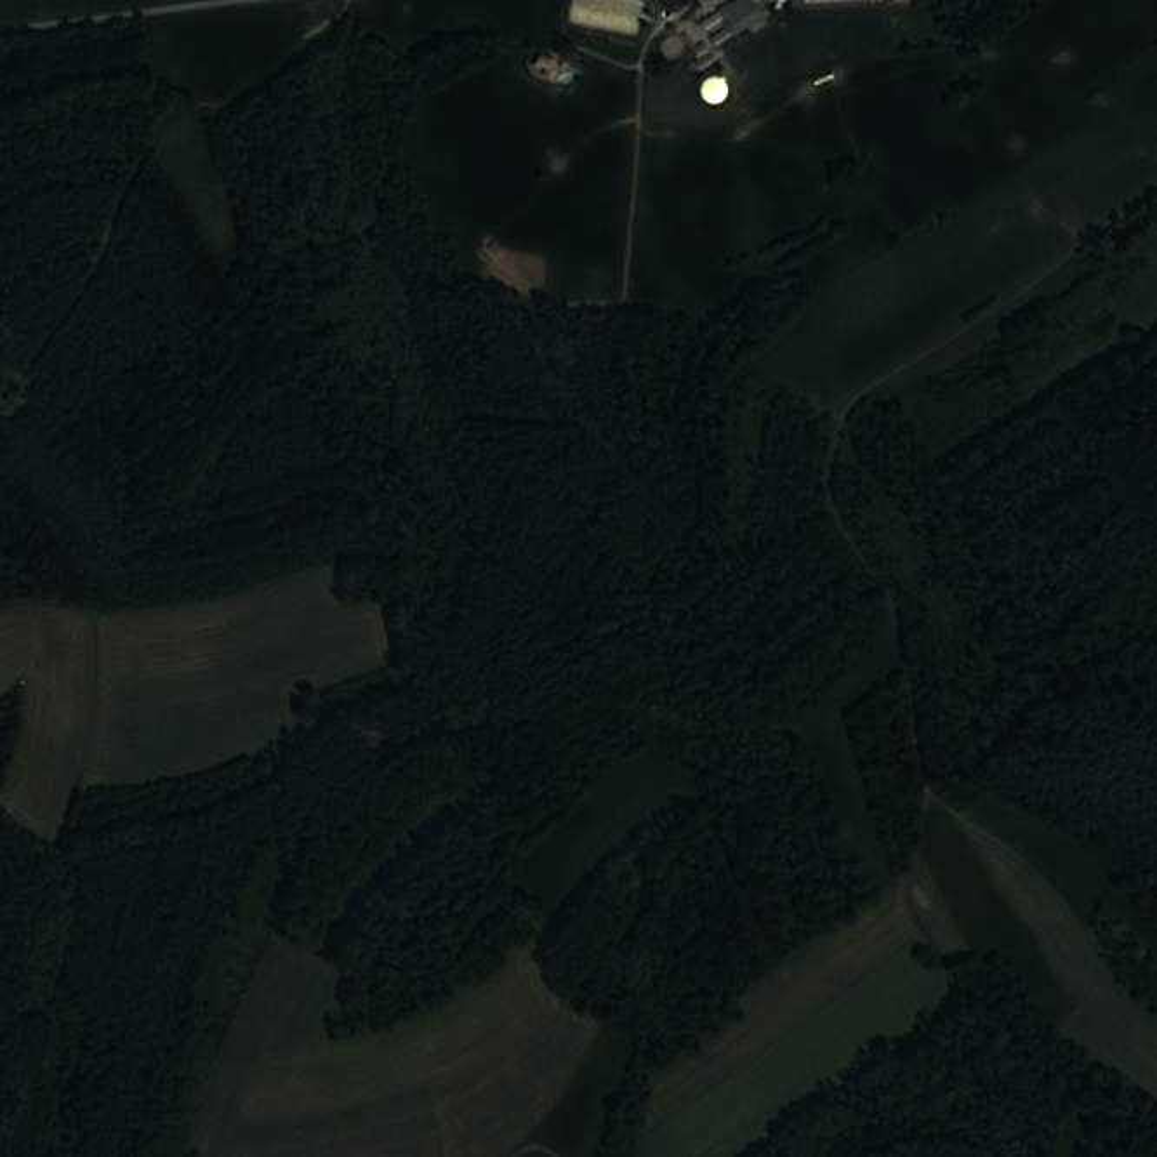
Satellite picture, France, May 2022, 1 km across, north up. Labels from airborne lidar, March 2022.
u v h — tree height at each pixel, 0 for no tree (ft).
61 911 60
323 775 96
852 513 33
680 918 38
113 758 0
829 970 0
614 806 0
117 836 66
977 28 66
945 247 0
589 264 0
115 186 50
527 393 87
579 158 0
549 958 78
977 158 0
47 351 51
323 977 0
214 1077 0
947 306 0
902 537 0
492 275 0
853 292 0
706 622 74
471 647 97
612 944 36
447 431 82
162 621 0
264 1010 0
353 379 105
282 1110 0
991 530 90
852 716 42
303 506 42
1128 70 0
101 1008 51
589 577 68
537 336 86
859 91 0
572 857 0
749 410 0
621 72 0
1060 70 0
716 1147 0
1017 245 0
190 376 29
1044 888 0
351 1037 54
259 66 0
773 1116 0
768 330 84
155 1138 47
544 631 64
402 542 56
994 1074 87
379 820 99
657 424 34
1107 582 69
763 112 0
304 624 0
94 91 78
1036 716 59
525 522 96
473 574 97
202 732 0
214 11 0
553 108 0
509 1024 0
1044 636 64
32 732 0
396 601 75
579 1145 0
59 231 36
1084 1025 0
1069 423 51
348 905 0
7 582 44
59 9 0
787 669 96
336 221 94
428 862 80
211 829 72
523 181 0
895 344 0
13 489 36
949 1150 86
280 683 0
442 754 85
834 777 0
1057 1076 54
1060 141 0
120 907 70
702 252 0
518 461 93
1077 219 0
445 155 0
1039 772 62
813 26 0
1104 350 0
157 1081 36
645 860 98
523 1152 0
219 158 35
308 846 87
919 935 0
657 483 49
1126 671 41
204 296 44
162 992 35
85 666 0
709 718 57
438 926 89
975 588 63
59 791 0
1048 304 52
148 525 42
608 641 86
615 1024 80
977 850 0
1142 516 61
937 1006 0
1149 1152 49
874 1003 0
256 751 0
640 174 0
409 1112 0
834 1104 75
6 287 36
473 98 0
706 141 0
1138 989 33
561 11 0
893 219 0
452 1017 0
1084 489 83
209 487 28
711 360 72
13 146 80
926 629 56
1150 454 70
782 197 0
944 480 61
